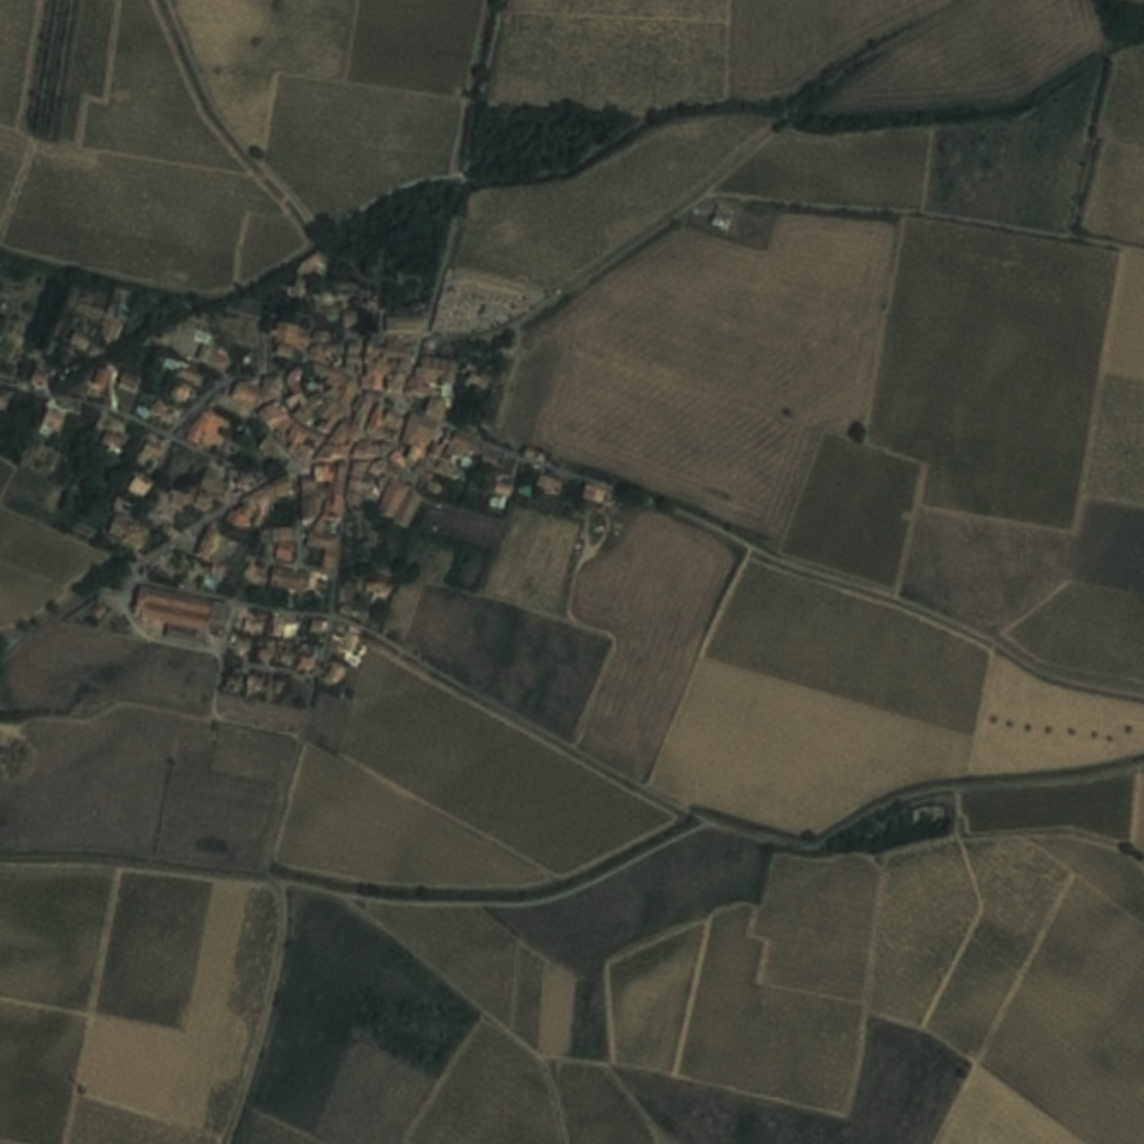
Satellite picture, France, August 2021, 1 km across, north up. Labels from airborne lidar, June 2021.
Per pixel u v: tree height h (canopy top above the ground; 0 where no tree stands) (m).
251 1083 0
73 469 7
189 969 0
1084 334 0
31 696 0
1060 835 0
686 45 0
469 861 0
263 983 0
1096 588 0
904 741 0
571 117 12
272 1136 0
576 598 0
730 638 0
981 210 0
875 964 0
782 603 0
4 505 0
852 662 0
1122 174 0
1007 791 0
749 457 0
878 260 0
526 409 0
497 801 0
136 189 0
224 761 0
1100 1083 0
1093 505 0
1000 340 0
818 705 0
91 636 0
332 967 0
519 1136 0
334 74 0
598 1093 0
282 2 0
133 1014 0
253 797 0
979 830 0
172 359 14
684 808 0
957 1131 0
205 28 0
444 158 0
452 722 0
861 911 0
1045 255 0
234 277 0
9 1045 0
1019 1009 0
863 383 0
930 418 0
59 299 10
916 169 0
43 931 0
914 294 0
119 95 0
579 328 0
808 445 0
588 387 0
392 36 0
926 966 0
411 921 0
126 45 0
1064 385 0
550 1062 0
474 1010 0
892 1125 0
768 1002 0
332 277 10
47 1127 0
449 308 0
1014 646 0
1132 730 0
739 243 0
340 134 0
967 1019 0
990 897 0
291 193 0
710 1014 0
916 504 0
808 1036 0
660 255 0
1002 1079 0
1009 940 0
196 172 0
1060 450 0
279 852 0
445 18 0
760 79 0
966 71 0
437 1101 0
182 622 0
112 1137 0
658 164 0
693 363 0
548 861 0
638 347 0
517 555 0
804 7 0
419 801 0
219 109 0
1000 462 0
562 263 0
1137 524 0
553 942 0
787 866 0
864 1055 0
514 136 13
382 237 10
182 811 0
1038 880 0
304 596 6
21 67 0
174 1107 0
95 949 0
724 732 0
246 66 0
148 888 0
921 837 8
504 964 0
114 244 0
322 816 0
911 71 0
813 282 0
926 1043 0
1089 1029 0
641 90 0
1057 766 0
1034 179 0
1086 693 0
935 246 0
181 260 0
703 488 0
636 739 0
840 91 0
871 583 0
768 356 0
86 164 0
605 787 0
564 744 0
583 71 0
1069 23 0
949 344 0
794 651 0
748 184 0
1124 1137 0
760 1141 0
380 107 0
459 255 0
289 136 0
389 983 0
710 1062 0
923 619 0
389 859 0
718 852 0
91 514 9
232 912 0
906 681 0
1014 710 0
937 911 0
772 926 0
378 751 0
